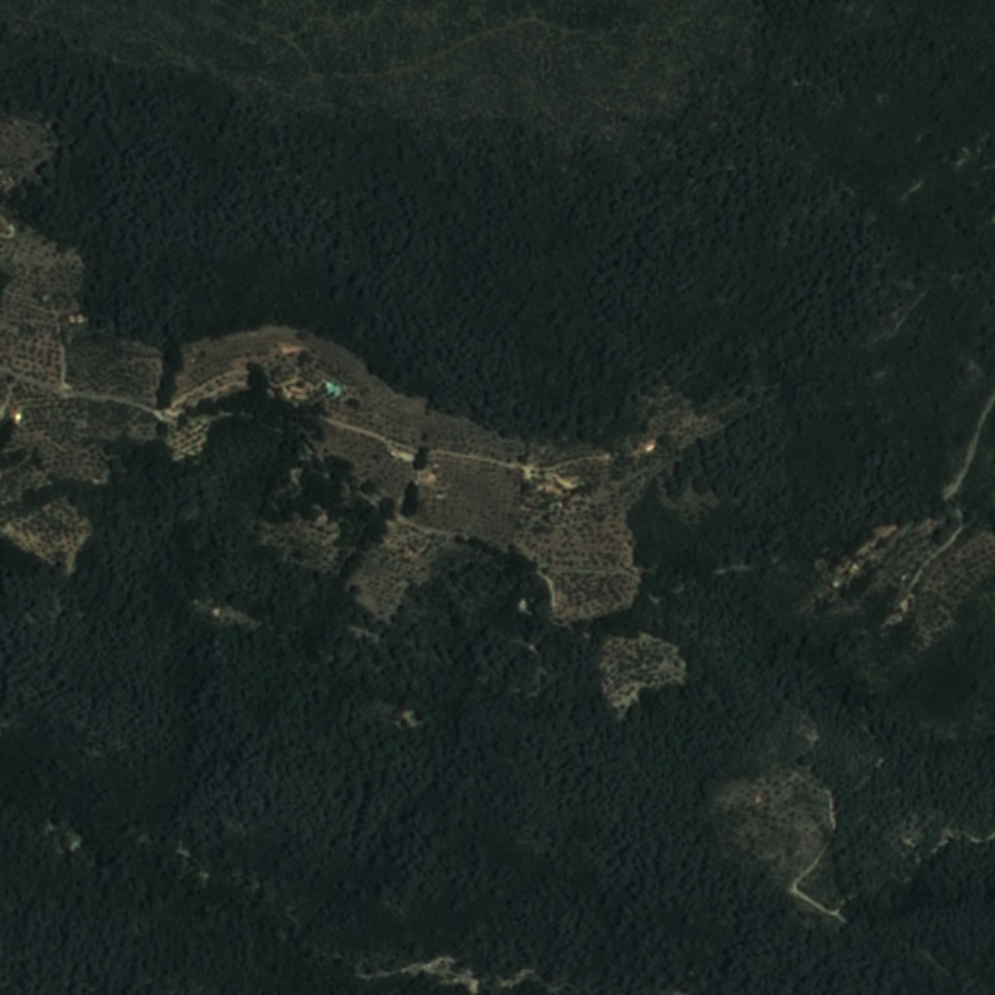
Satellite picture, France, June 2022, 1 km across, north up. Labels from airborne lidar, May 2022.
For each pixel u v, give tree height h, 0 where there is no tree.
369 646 17
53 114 8
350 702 18
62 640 18
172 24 0
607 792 14
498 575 9
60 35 10
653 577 12
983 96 8
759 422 19
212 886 14
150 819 7
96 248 12
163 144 14
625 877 22
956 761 20
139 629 19
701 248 10
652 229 22
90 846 16
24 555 10
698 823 17
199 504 18
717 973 6
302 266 15
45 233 7
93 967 14
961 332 6
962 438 12
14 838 11
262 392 15
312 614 17
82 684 7
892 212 5
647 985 6
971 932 15
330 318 11
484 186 8
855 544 11
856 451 7
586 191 8
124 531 15
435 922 9
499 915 8
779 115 16
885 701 7
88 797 8
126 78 14
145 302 16
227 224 15
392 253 6
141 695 19
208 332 11
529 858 7
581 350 18
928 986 8
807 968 26
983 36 7
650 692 10
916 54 7
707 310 7
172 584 16
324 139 7
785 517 12
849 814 14
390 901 18
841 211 7
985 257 13
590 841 8
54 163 6
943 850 7
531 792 20
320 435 9
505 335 17
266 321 13
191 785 11
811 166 6
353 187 13
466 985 16
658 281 16
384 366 10
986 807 8
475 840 10
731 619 15
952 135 5
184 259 8
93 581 17
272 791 18
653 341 6
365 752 20
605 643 17
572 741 21
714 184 21
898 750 18
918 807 14
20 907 6
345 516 11
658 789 18
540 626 11
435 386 12
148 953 15
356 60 5
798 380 7
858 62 8
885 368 6
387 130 8
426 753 19
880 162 6
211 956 20
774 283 7
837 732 9
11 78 9
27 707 18
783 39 10
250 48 6
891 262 13
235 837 7
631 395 20
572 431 19
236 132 18
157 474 19
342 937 8
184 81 5
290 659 16
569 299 17
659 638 12
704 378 19
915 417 6
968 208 6
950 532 14
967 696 7
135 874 15
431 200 8
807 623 6
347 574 11
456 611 18
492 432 17
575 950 20
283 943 22
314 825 21
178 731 13
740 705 19
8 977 12
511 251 14
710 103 14
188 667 17
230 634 10
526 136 15
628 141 6
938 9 12
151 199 18
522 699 12
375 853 9
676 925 7
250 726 21
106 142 7
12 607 7
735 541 6
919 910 16
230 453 13
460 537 9
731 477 21
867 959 20
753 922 21
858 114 7
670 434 7
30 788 12
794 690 19
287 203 15
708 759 19
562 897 9
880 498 21
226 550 17
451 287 7
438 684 19
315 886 10
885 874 9
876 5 14
